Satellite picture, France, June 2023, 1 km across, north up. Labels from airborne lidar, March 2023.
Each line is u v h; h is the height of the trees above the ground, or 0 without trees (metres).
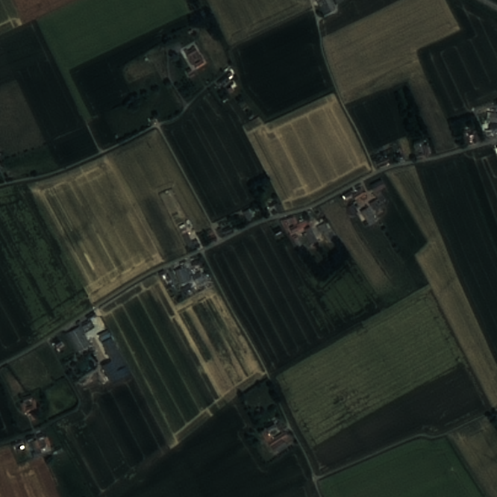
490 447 0
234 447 0
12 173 0
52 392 0
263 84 0
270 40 0
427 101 0
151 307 0
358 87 0
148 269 0
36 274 0
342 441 0
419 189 0
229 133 0
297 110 0
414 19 0
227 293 0
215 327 0
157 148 0
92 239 0
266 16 0
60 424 0
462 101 0
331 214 0
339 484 0
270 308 0
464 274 0
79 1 0
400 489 0
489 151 0
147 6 0
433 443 0
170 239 0
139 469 0
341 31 0
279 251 0
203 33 0
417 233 0
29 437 6
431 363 0
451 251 0
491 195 0
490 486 0
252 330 0
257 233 0
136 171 0
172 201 0
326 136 0
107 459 0
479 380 0
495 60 0
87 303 0
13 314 0
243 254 0
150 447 0
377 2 0
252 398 0
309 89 0
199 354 0
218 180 0
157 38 0
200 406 0
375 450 0
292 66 0
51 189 0
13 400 0
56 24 0
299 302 0
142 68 0
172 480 0
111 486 0
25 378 0
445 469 0
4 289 0
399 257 0
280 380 0
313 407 0
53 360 0
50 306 0
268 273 0
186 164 0
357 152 0
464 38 0
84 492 0
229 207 0
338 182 0
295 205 0
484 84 0
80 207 0
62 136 0
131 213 0
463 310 0
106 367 0
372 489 0
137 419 0
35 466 0
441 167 0
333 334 0
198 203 0
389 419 0
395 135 0
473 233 0
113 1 0
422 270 0
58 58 0
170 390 0
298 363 0
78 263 0
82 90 0
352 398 0
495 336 0
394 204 0
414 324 0
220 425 0
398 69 0
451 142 0
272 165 0
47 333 0
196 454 0
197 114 0
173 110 0
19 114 0
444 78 0
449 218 0
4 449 0
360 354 0
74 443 0
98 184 0
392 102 0
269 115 0
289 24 0
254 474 0
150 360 0
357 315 0
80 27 0
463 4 0
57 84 0
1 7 0
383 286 0
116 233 0
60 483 0
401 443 0
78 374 7
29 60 0
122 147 0
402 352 0
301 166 0
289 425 0
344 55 0
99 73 0
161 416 0
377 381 0
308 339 0
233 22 0
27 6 0
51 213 0
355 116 0
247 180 0
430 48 0
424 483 0
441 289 0
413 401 0
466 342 0
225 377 0
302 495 0
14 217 0
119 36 0
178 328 0
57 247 0
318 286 0
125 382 0
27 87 0
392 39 0
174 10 0
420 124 16
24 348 0
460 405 0
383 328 0
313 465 0
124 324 0
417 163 0
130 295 0
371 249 0
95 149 0
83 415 0
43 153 0
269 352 0
